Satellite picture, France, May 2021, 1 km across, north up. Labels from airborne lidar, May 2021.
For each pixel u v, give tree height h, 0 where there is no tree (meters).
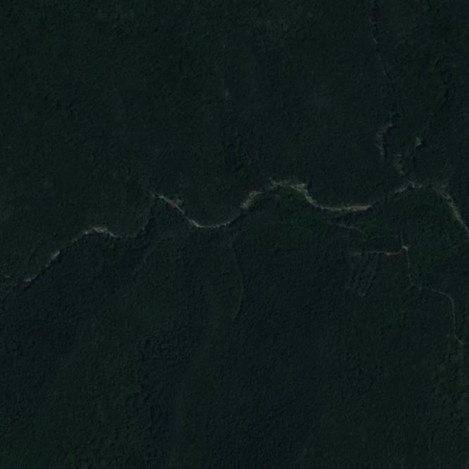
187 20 18
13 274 21
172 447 6
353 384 16
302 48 11
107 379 15
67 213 10
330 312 11
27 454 8
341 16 16
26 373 12
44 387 11
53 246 21
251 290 16
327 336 10
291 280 13
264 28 21
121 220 10
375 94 10
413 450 17
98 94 9
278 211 9
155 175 18
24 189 14
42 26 15
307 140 13
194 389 12
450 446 13
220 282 17
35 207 10
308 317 11
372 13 11
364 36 13
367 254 17
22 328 17
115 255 21
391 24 9
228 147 15
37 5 12
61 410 12
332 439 10
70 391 12
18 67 18
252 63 7
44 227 17
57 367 7
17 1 14
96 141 14
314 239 5
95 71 10
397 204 7
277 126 7
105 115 14
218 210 10
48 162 12
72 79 19
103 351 14
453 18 19
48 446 12
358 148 10
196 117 16
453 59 21
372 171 13
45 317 13
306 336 6
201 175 12
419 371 8
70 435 15
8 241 9
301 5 10
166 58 18
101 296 10
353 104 12
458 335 10
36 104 16
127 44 13
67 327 14
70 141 15
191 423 13
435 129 20
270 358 6
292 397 8
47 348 12
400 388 9
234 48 11
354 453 9
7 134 13
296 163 11
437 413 9
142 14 8
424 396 17
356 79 12
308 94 9
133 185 24
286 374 6
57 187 11
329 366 11
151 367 11
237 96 15
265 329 13
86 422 13
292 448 12
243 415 13
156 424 18
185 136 14
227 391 9
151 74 18
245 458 11
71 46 14
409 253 9
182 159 16
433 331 10
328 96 10
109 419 11
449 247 9
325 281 10
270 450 8
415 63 18
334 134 10
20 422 8
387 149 20
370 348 20
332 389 13
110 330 13
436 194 10
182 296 18
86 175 13
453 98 13
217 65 10
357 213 7
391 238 8
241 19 11
